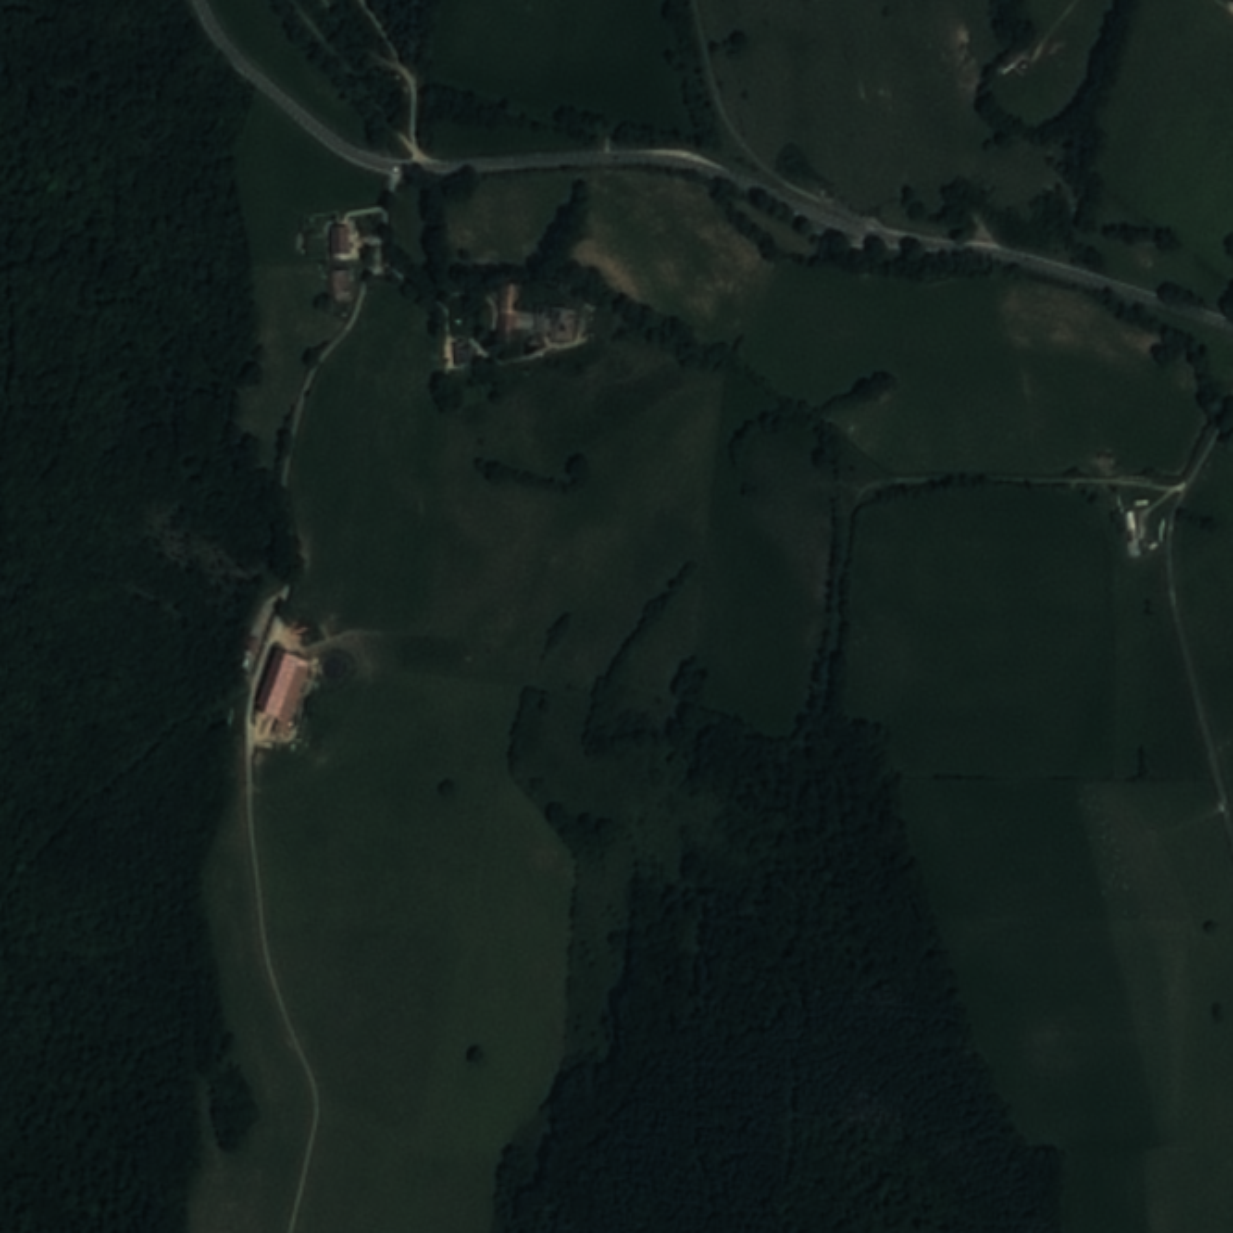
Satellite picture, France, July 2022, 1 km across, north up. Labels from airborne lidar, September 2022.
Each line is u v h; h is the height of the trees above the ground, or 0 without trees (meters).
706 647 0
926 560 0
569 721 0
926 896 15
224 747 6
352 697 0
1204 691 0
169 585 16
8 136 6
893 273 10
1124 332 0
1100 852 0
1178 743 0
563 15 0
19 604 17
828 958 19
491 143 0
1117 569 0
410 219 0
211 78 21
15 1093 18
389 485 0
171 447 21
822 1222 17
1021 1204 19
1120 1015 0
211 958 7
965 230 13
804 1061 22
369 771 0
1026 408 0
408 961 0
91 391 18
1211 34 0
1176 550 0
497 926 0
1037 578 0
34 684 15
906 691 0
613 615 0
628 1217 18
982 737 0
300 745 0
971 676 0
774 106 0
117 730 15
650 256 0
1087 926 0
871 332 0
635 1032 24
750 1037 17
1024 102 0
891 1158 14
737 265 0
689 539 0
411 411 0
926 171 0
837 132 0
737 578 0
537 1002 0
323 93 0
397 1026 0
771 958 17
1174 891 0
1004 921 0
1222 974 0
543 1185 19
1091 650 0
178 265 16
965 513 0
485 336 13
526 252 0
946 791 0
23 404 20
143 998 19
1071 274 0
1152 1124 0
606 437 0
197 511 17
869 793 21
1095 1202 0
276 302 0
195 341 19
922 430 0
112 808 18
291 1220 0
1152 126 0
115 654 14
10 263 11
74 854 17
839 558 12
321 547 0
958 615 0
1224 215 0
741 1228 19
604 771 0
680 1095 18
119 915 16
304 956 0
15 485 18
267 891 0
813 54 0
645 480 0
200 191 18
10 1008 17
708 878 14
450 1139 0
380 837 0
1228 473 0
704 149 17
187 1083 17
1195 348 14
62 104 21
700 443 0
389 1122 0
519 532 0
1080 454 0
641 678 0
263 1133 0
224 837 0
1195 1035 0
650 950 14
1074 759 0
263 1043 0
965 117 0
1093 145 20
